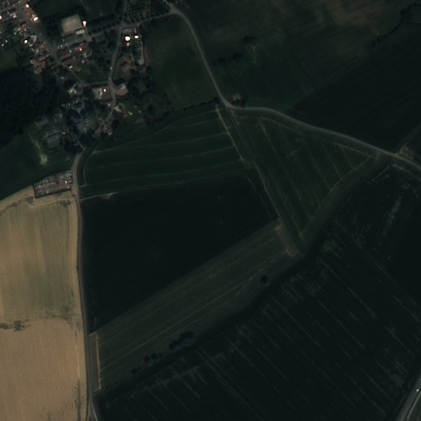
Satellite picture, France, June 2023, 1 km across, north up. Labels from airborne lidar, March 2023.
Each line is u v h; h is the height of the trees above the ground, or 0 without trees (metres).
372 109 0
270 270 0
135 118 0
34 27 0
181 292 0
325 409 0
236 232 0
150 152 0
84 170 0
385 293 0
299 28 0
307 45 0
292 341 0
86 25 14
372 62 0
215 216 0
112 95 0
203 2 0
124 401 0
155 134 0
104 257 0
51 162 0
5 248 0
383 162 0
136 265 0
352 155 0
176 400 0
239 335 0
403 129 0
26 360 0
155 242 0
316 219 0
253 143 0
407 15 18
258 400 0
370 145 0
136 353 0
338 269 0
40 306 0
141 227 0
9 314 0
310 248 0
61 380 0
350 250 0
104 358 0
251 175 0
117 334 0
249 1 0
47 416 0
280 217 0
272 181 0
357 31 0
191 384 0
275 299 0
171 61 0
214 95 0
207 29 0
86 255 0
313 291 0
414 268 0
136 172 0
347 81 0
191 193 0
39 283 0
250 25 0
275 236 0
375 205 0
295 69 0
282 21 0
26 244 0
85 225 0
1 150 0
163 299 0
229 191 0
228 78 0
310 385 0
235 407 0
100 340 0
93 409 0
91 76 0
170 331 0
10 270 0
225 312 0
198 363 0
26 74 15
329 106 0
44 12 0
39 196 0
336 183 0
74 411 0
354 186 0
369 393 0
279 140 0
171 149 0
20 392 0
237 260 0
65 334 0
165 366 0
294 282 0
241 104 14
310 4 0
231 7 0
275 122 0
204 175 0
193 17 0
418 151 0
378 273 0
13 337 0
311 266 0
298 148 0
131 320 0
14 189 0
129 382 0
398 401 0
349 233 0
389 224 0
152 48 0
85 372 0
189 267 0
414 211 0
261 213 0
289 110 0
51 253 0
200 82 0
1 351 0
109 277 0
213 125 0
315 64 0
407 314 0
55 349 0
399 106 0
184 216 0
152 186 0
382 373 0
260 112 0
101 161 0
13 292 0
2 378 0
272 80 0
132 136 0
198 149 0
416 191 0
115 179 0
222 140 0
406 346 0
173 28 0
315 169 0
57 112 0
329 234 0
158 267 0
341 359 0
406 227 0
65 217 0
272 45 0
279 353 0
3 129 36
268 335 0
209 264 0
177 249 0
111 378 0
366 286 0
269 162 0
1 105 37
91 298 0
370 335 0
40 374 0
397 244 0
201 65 0
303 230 0
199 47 0
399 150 0
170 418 0
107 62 11
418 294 0
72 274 0
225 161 0
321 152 0
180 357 0
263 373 0
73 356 0
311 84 0
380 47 0
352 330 0
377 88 0
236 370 0
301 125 0
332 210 0
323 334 0
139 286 0
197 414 0
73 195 0
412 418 0
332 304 0
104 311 0
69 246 0
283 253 0
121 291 0
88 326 0
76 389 0
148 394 0
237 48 0
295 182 0
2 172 0
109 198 0
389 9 0
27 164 0
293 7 0
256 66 0
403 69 0
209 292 0
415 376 0
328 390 0
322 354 0
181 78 0
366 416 0
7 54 0
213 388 0
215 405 0
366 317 0
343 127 0
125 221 0
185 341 19
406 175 0
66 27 0
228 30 0
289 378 0
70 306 0
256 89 0
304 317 0
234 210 0
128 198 0
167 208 0
